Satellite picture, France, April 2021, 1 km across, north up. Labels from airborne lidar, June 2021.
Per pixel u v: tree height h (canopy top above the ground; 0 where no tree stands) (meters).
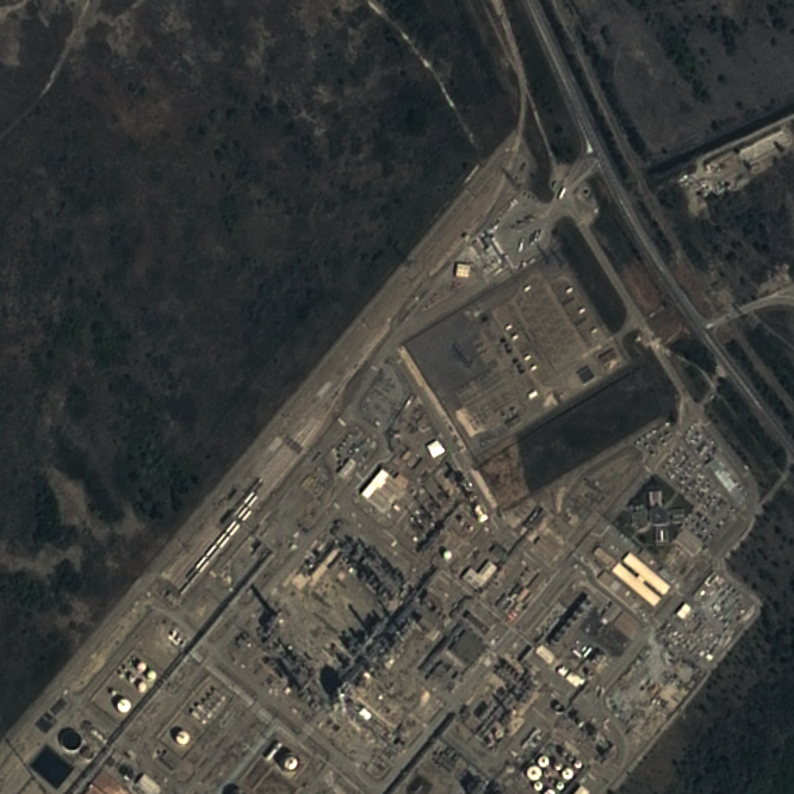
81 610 0
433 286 0
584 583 0
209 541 0
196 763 0
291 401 0
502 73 0
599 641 0
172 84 0
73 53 0
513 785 0
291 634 0
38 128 0
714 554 0
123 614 0
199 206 0
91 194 0
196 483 14
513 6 0
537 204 0
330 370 0
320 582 0
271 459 0
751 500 0
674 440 0
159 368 8
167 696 0
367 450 0
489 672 0
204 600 0
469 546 0
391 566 0
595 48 8
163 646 0
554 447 0
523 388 0
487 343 0
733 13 0
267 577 0
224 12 0
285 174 0
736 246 7
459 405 0
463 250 0
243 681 0
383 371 0
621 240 0
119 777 0
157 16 0
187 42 0
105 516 5
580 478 0
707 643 0
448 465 0
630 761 0
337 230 0
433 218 0
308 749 0
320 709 0
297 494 0
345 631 0
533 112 0
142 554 0
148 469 8
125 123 0
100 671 0
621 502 0
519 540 0
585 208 0
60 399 0
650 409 0
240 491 0
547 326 0
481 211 0
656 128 0
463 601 0
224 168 0
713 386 0
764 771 9
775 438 0
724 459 0
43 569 0
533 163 0
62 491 0
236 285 0
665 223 0
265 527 0
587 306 0
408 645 0
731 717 8
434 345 0
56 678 0
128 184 0
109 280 7
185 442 0
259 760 0
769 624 13
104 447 0
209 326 0
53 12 0
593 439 0
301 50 0
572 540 0
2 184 0
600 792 0
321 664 0
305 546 0
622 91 0
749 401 0
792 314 0
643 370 0
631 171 0
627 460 0
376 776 0
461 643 0
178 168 0
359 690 0
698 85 8
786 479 0
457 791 0
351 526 0
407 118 6
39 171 0
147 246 0
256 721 0
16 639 0
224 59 0
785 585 0
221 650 0
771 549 0
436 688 0
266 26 0
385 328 0
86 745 0
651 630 0
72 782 0
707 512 0
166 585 0
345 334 0
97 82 0
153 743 0
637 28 0
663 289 0
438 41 7
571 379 0
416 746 0
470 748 0
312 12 0
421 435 0
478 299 0
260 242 0
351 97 0
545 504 0
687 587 0
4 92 0
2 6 0
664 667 0
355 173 0
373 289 0
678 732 0
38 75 0
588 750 0
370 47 10
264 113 11
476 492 0
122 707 0
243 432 0
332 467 0
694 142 0
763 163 0
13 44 0
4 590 8
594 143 0
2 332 0
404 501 0
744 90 0
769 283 0
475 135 0
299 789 0
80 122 0
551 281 0
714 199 11
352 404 0
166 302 0
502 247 0
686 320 0
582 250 0
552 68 0
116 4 0
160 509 11
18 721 0
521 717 0
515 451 0
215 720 0
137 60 0
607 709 0
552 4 0
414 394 0
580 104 0
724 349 0
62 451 6
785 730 9
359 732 0
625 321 0
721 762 10
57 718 0
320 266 8
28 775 0
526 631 0
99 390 0
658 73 0
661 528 0
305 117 0
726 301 0
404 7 8
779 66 0
